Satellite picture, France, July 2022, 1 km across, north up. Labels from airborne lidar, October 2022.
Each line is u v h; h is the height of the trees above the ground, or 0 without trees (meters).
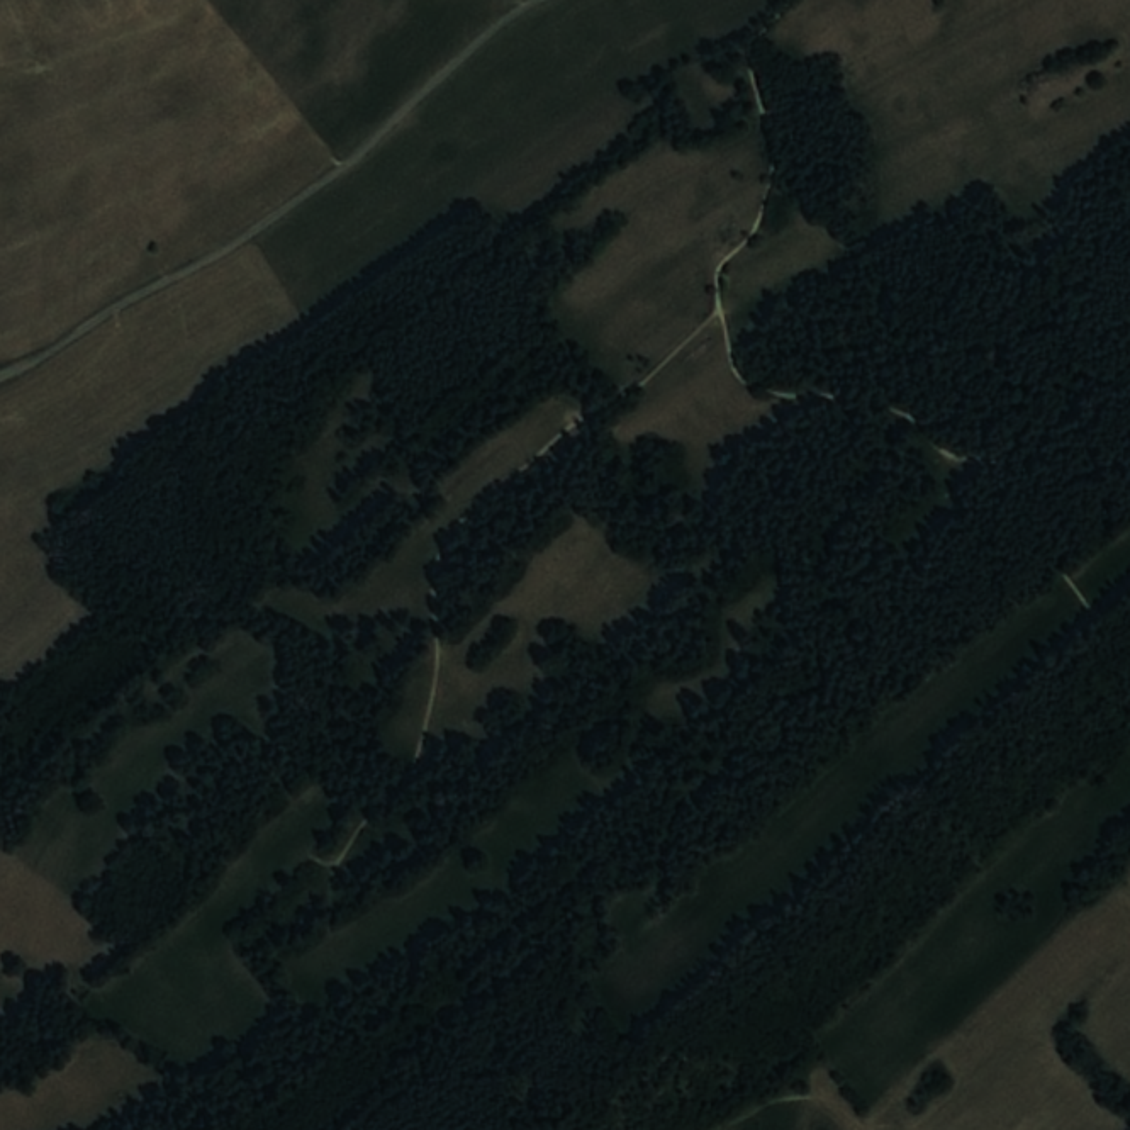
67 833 0
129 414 0
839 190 32
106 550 25
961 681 0
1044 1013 0
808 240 0
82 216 0
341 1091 9
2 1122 0
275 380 25
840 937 12
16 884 0
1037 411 22
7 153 0
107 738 13
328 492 0
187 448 24
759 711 22
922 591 31
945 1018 0
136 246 0
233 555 20
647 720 0
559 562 0
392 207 0
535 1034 22
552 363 18
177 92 0
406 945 0
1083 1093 0
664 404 0
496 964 22
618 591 0
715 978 23
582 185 18
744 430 0
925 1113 0
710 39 0
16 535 0
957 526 28
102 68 0
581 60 0
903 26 0
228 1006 0
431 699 0
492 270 23
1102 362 26
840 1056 0
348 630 31
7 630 0
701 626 18
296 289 0
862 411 27
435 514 17
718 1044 13
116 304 0
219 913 0
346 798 24
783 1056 19
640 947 0
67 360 0
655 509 30
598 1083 28
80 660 7
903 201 0
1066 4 0
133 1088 0
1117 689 9
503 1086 24
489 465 0
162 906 20
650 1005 0
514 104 0
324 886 0
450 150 0
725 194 0
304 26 0
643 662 31
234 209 0
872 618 29
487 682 0
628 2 0
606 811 28
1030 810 15
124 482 20
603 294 0
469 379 22
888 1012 0
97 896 19
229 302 0
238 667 0
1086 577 0
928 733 0
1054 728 11
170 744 0
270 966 19
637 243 0
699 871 22
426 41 0
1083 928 0
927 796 20
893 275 27
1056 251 27
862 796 0
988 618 28
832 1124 0
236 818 22
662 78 17
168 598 19
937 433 29
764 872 0
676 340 0
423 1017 7
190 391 0
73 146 0
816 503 31
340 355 24
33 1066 23
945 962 0
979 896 0
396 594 0
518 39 0
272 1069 23
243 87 0
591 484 27
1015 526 31
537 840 0
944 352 20
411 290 21
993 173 0
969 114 0
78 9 0
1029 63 0
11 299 0
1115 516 28
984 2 0
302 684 23
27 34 0
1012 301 28
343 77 0
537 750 26
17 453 0
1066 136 0
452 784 17
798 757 21
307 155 0
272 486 29
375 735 23
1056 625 0
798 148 19
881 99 0
